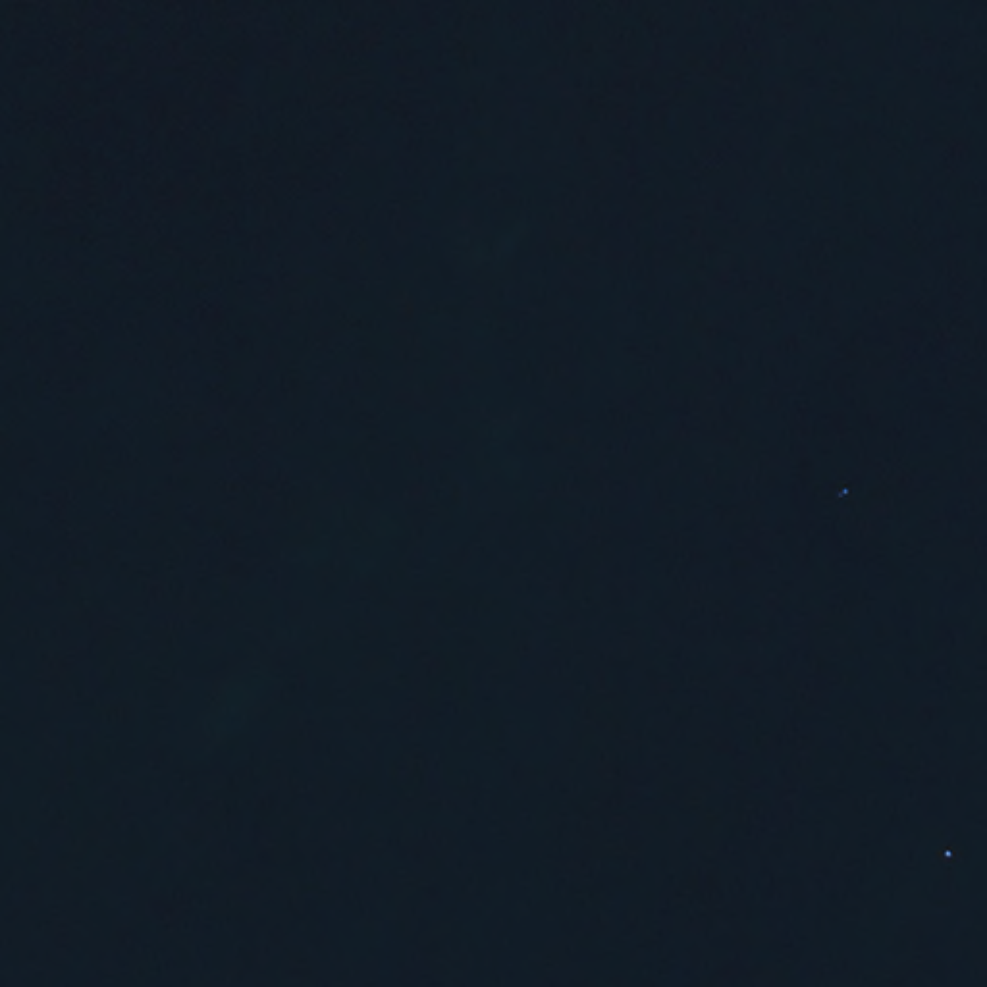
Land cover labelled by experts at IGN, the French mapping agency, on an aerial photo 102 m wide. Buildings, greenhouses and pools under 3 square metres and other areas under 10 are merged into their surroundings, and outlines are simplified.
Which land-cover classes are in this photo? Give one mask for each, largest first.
<instances>
[{"label":"water","instance_id":"1","mask_svg":"<svg viewBox=\"0 0 987 987\"><path fill-rule=\"evenodd\" d=\"M0 987H987V0H0Z\"/></svg>","mask_w":987,"mask_h":987}]
</instances>
